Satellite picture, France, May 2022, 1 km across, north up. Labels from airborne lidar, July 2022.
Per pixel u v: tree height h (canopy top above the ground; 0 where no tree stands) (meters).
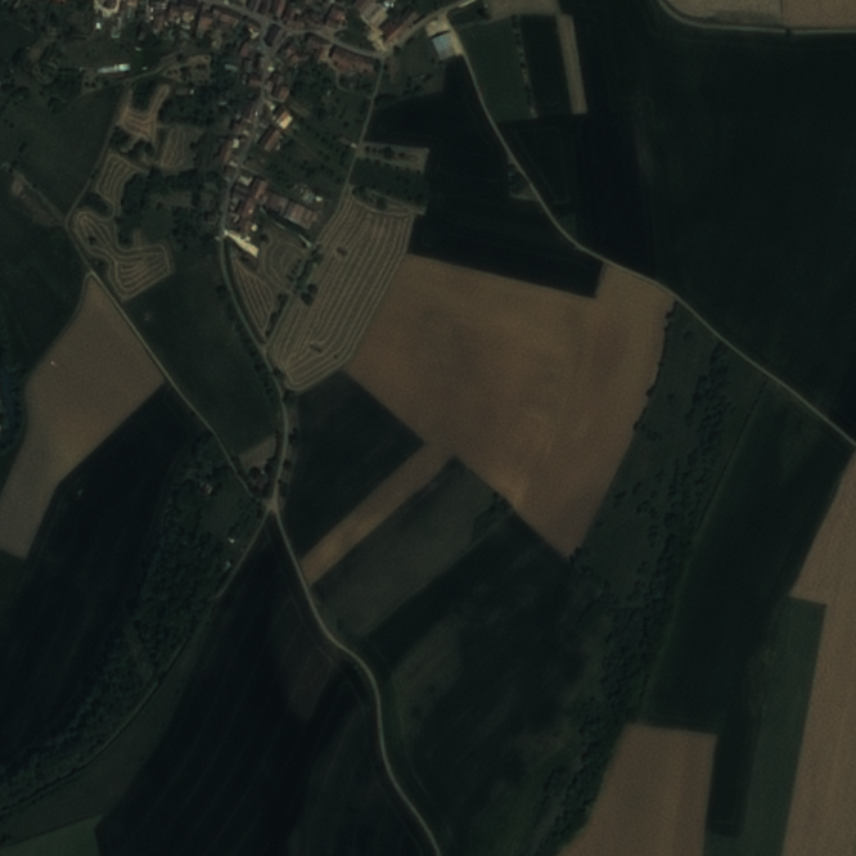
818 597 0
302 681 0
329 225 0
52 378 0
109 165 0
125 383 0
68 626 0
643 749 0
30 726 0
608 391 0
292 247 0
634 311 0
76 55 0
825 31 0
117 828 0
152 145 10
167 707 0
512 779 0
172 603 19
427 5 0
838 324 0
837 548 0
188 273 0
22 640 0
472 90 0
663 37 0
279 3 0
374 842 0
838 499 0
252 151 0
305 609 0
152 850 0
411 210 0
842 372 0
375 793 0
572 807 6
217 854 0
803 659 0
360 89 7
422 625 0
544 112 0
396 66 0
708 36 0
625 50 0
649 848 0
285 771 0
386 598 0
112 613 0
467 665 0
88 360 0
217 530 0
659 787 0
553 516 0
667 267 0
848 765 0
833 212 0
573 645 0
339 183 6
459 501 0
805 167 0
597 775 18
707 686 0
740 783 0
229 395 0
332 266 0
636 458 0
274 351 0
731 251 0
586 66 0
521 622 0
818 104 0
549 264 0
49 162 0
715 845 0
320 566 0
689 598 0
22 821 0
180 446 0
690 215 0
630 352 0
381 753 0
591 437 0
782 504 0
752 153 0
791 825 0
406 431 0
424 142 0
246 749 0
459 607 0
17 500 0
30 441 0
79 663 0
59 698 0
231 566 7
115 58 0
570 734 0
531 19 0
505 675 0
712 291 0
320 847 0
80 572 0
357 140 0
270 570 0
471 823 0
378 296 0
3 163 0
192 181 13
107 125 0
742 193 0
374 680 0
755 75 0
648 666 15
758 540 0
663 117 0
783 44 0
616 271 0
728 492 0
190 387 0
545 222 0
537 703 0
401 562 0
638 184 0
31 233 0
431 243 0
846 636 0
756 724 0
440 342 0
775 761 0
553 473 0
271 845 0
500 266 0
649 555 0
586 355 0
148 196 7
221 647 0
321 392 0
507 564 0
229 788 0
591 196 0
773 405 0
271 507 0
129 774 0
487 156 0
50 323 0
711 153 0
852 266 0
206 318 0
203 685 0
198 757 0
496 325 0
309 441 0
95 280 0
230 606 0
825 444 0
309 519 0
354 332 0
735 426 0
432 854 0
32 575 0
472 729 0
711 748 0
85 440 0
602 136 0
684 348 0
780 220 0
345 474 0
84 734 22
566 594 0
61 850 0
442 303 0
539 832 0
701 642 0
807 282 0
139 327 0
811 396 0
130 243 7
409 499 0
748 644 0
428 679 0
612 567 0
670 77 0
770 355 0
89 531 0
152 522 0
